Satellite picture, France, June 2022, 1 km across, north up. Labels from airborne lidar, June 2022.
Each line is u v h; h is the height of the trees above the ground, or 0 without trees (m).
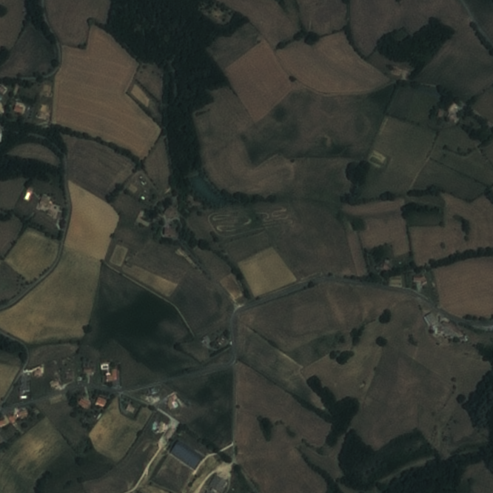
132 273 0
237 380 0
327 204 0
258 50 0
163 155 0
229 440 0
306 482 0
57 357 0
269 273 0
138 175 0
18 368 0
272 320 0
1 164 17
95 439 0
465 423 0
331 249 0
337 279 0
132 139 0
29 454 0
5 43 0
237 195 14
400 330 0
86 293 0
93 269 0
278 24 0
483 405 21
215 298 0
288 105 0
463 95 0
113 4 11
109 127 0
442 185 0
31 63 0
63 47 0
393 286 0
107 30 13
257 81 0
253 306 0
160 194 0
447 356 0
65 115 0
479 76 0
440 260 8
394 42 13
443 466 24
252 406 0
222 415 0
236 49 0
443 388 0
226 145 0
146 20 18
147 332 0
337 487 14
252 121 0
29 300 0
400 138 0
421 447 6
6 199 0
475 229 0
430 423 0
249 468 0
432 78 0
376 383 0
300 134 0
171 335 0
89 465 0
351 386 0
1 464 0
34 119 0
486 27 0
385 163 0
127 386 0
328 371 0
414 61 9
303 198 0
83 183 0
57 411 0
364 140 0
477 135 16
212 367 0
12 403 0
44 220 0
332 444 12
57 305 0
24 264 0
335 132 0
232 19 8
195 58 14
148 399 0
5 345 13
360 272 0
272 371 0
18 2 0
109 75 0
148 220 6
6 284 0
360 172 19
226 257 11
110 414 0
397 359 0
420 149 0
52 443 0
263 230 0
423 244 0
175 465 0
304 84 0
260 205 0
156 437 0
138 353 0
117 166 0
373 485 13
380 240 0
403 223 0
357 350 0
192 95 12
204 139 0
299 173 0
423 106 0
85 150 0
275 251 0
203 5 11
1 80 11
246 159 0
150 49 17
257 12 0
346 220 0
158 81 0
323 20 0
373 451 9
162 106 13
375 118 0
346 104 0
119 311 0
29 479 0
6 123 14
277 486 0
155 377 0
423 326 0
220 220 0
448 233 0
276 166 0
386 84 0
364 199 12
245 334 0
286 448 0
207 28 12
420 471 22
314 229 0
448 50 0
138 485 0
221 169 0
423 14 0
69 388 0
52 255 0
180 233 7
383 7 0
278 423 7
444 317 0
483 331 7
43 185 0
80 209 0
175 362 0
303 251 0
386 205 0
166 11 15
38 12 18
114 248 0
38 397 0
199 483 0
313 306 0
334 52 0
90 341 0
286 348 0
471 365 0
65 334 0
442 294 0
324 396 11
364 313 0
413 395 0
